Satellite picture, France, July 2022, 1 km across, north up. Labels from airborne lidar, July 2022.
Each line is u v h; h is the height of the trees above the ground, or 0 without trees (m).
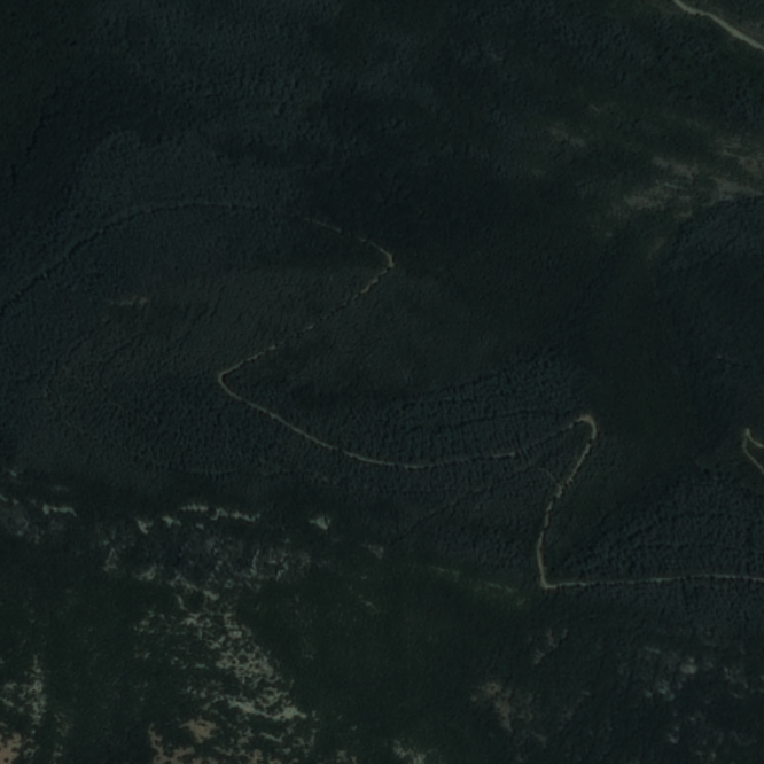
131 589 8
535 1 11
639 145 9
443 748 7
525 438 16
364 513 14
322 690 8
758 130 9
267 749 9
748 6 8
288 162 16
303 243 11
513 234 18
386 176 17
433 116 11
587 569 16
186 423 15
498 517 17
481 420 6
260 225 14
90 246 12
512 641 6
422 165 14
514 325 17
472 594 7
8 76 18
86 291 11
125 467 18
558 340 15
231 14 11
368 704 7
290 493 12
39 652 6
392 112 13
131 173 16
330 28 14
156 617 6
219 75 12
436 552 15
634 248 7
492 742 9
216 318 18
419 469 7
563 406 15
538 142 10
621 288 7
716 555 16
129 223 12
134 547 8
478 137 13
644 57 12
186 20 13
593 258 11
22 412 14
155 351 15
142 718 8
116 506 9
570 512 6
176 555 8
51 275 14
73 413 13
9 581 6
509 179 11
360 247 12
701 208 11
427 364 15
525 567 9
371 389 15
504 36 7
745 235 11
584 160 8
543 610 9
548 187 12
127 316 8
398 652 7
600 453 14
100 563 7
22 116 19
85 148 12
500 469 17
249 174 16
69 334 11
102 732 7
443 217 16
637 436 8
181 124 13
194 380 20
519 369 23
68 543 9
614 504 8
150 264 12
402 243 17
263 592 7
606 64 11
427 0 11
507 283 13
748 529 8
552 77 7
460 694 8
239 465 14
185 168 15
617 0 7
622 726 6
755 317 8
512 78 11
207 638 6
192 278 7
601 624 9
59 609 6
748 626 17
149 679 7
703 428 9
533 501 13
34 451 12
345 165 9
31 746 6
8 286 15
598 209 8
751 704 7
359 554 7
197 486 12
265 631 7
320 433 16
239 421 16
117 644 8
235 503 11
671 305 14
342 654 6
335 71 17
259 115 20
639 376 12
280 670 5
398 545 11
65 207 10
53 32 19
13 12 17
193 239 14
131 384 17
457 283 18
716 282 9
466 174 15
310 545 8
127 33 14
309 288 12
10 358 12
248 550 7
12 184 11
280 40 15
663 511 21
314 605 6
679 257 12
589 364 11
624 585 11
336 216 12
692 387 12
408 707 8
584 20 9
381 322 15
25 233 13
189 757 7
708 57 14
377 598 6
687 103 10
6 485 6
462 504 12
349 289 16
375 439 14
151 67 9
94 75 18
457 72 15
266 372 15
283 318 14
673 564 16
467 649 11
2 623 7
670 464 9
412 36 10
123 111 14
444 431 20
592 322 12
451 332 11
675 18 7
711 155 7
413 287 17
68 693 10
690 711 6
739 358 6
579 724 6
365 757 7
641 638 8
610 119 7
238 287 15
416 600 6
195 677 8
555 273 16
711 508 16
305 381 18
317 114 16
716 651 6
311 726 5
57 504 9
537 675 7
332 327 14
